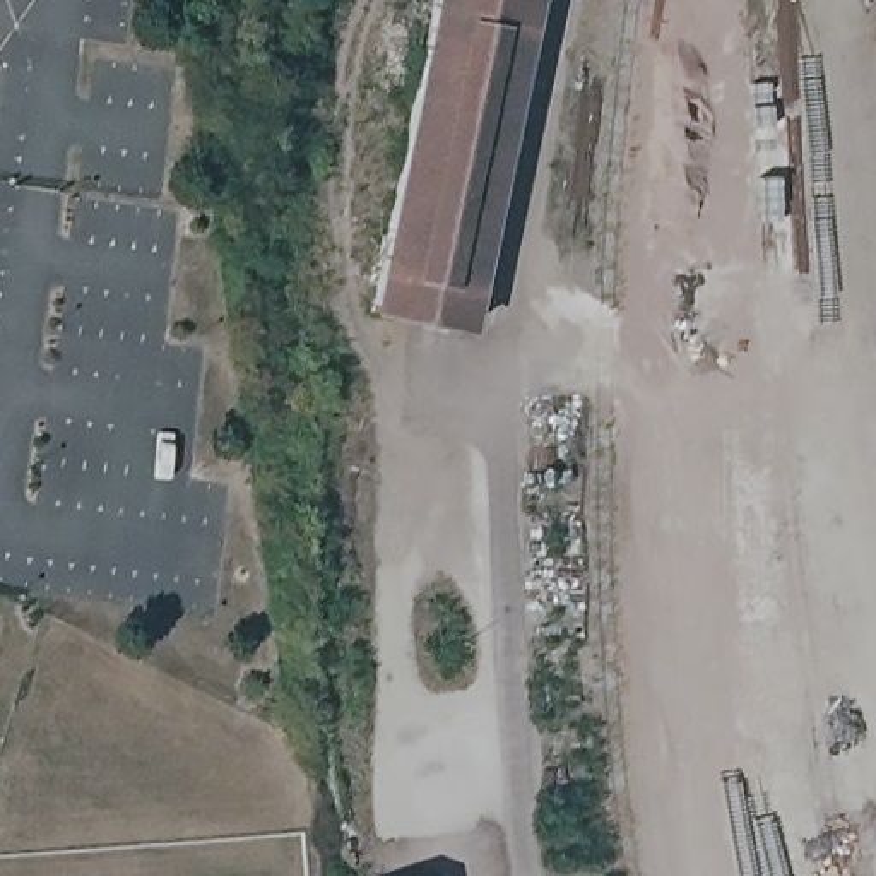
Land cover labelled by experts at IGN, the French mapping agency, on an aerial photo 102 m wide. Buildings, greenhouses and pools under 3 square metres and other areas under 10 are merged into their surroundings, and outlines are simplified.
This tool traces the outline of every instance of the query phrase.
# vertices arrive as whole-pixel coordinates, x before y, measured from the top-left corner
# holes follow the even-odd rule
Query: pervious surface
[[[541,732],[544,767],[561,763],[565,749],[578,749],[578,732]]]
[[[411,435],[397,414],[383,414],[376,421],[380,510],[373,530],[373,599],[376,708],[373,821],[380,835],[363,855],[383,876],[510,876],[506,832],[500,821],[493,821],[503,811],[503,756],[493,654],[500,654],[503,647],[503,626],[493,616],[489,599],[486,462],[479,448],[465,455],[459,445],[441,445],[438,438]],[[476,626],[476,660],[476,678],[469,688],[431,691],[424,688],[414,660],[414,595],[421,592],[421,585],[445,575],[455,582],[459,592]]]
[[[394,0],[356,0],[339,31],[335,96],[346,106],[359,99],[363,58],[376,58],[380,51],[383,27],[394,24]]]
[[[335,291],[332,298],[332,311],[346,329],[352,352],[370,380],[387,366],[390,346],[404,346],[407,359],[417,359],[421,339],[428,332],[441,335],[448,329],[421,318],[380,315],[380,308],[373,308],[370,274],[359,270],[359,263],[352,260],[356,185],[349,178],[349,164],[356,161],[356,127],[346,127],[342,137],[342,171],[339,178],[329,178],[318,188],[318,209],[329,219],[329,229],[318,236],[315,257],[325,270],[346,277],[342,291]]]
[[[876,876],[876,0],[571,0],[537,154],[537,168],[551,171],[544,226],[558,243],[565,284],[530,301],[534,315],[524,325],[517,352],[520,390],[513,417],[534,421],[534,435],[527,438],[527,472],[534,476],[534,482],[527,486],[524,513],[541,524],[530,530],[530,537],[548,537],[548,544],[534,561],[534,575],[524,578],[524,589],[530,599],[527,613],[544,616],[554,606],[565,606],[568,616],[582,616],[585,602],[602,602],[602,613],[592,613],[592,630],[578,654],[578,681],[589,691],[589,712],[606,719],[602,732],[609,743],[609,787],[602,808],[619,832],[616,862],[619,869],[626,869],[626,876]]]

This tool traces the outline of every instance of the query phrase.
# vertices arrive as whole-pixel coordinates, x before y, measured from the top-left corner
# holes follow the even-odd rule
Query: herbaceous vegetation
[[[356,814],[349,825],[342,825],[342,845],[352,852],[352,869],[359,876],[383,876],[363,855],[380,835],[373,821],[376,708],[363,719],[339,722],[339,736],[356,787]]]
[[[394,0],[394,24],[383,27],[380,51],[387,55],[390,72],[400,79],[407,31],[417,21],[428,24],[431,0]]]
[[[349,400],[349,417],[339,462],[339,493],[322,493],[318,517],[342,520],[346,513],[356,513],[356,527],[342,548],[342,585],[346,599],[373,599],[373,530],[380,510],[376,421],[370,380],[352,352],[332,359],[332,373],[339,376],[339,397]]]
[[[438,674],[431,654],[424,650],[428,636],[438,630],[431,616],[431,595],[459,592],[455,582],[445,575],[421,585],[421,592],[414,595],[414,660],[424,688],[431,691],[469,688],[476,678],[476,660],[465,667],[462,678],[448,684]]]
[[[209,260],[202,257],[195,240],[188,240],[195,229],[195,212],[181,205],[168,188],[171,171],[192,137],[185,65],[175,58],[175,51],[144,48],[127,31],[123,41],[79,41],[79,58],[147,58],[168,65],[175,75],[168,157],[161,181],[161,195],[178,216],[164,342],[202,352],[192,479],[226,486],[222,554],[212,592],[216,613],[188,616],[181,613],[181,599],[171,592],[147,599],[147,606],[133,609],[130,616],[113,602],[79,595],[68,595],[68,602],[48,599],[41,592],[0,595],[0,876],[322,876],[322,859],[308,842],[315,814],[315,784],[298,767],[284,729],[277,722],[260,719],[250,698],[236,701],[236,684],[246,681],[246,674],[257,678],[257,684],[270,684],[270,667],[277,667],[277,647],[267,640],[270,623],[263,609],[270,589],[263,571],[250,469],[240,459],[219,459],[212,452],[216,431],[226,428],[226,414],[236,407],[240,397],[240,373],[229,356],[229,315],[226,301],[216,294],[216,274]],[[151,640],[157,640],[147,650],[147,657],[137,660],[116,647],[123,619],[133,619]]]

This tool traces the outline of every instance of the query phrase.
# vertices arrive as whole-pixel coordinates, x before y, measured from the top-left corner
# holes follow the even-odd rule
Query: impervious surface
[[[503,647],[500,654],[493,654],[503,756],[503,811],[493,821],[500,821],[506,832],[510,876],[544,876],[548,869],[534,832],[534,811],[544,784],[544,767],[541,732],[530,719],[527,678],[534,667],[530,640],[541,636],[544,616],[527,613],[530,599],[524,589],[524,578],[534,575],[534,561],[548,544],[548,537],[530,537],[530,530],[541,524],[524,513],[527,486],[534,482],[534,476],[527,472],[527,438],[534,435],[534,421],[513,417],[520,390],[517,352],[524,325],[534,315],[530,301],[565,284],[558,243],[544,226],[551,171],[537,168],[537,154],[571,0],[551,0],[493,284],[496,311],[486,315],[482,332],[448,329],[441,335],[428,332],[421,339],[417,359],[407,359],[404,346],[390,346],[387,366],[370,380],[376,421],[383,414],[397,414],[411,435],[438,438],[441,445],[459,445],[465,455],[479,448],[486,462],[489,599],[493,616],[503,626]]]
[[[123,41],[127,31],[130,0],[0,0],[0,595],[41,592],[48,599],[68,602],[68,595],[79,595],[113,602],[130,616],[133,609],[147,606],[147,599],[171,592],[181,599],[181,613],[188,616],[216,613],[212,592],[222,554],[226,486],[192,479],[202,352],[164,342],[178,216],[161,195],[161,181],[168,157],[175,75],[168,65],[147,58],[79,58],[79,41]]]

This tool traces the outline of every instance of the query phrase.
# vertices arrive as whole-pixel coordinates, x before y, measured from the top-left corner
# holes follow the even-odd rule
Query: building
[[[486,315],[496,311],[493,284],[551,0],[431,0],[428,24],[428,55],[411,103],[407,154],[397,178],[390,226],[380,240],[380,257],[370,274],[373,308],[380,308],[380,315],[421,318],[448,329],[482,332]]]

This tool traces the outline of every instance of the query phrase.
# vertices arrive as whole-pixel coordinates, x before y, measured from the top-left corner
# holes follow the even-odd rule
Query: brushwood
[[[578,732],[578,749],[565,749],[561,763],[544,767],[544,784],[599,780],[602,787],[609,787],[609,743],[602,732],[606,719],[589,712],[589,691],[578,681],[578,654],[592,630],[592,613],[602,613],[602,602],[585,602],[582,616],[568,616],[565,606],[554,606],[544,616],[541,636],[530,640],[534,667],[527,678],[530,719],[541,732]]]
[[[476,660],[476,626],[459,592],[431,595],[431,616],[438,630],[428,636],[424,650],[431,654],[438,674],[448,684],[462,678],[465,667]]]
[[[380,240],[390,226],[397,178],[407,154],[411,103],[428,55],[428,24],[417,21],[407,31],[400,79],[390,72],[387,55],[380,51],[376,58],[363,58],[359,99],[346,106],[335,96],[332,130],[342,137],[346,127],[356,127],[356,161],[349,164],[349,178],[356,185],[352,260],[359,263],[359,270],[370,274],[380,257]]]

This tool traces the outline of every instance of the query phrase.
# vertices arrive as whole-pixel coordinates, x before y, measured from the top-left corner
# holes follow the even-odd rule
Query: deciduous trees
[[[147,657],[147,650],[157,640],[151,640],[133,619],[123,619],[116,647],[137,660]]]
[[[616,862],[619,832],[602,808],[609,787],[602,787],[599,780],[544,784],[534,811],[534,832],[548,869],[544,876],[626,876],[626,869],[619,869]]]
[[[339,736],[339,722],[363,719],[376,708],[373,599],[346,599],[342,585],[342,548],[356,527],[356,513],[346,513],[342,520],[318,517],[322,493],[339,493],[339,462],[349,417],[349,400],[339,397],[339,376],[332,373],[332,359],[352,352],[346,329],[332,311],[332,298],[335,291],[342,291],[346,277],[325,270],[315,257],[318,236],[329,229],[329,219],[318,209],[318,188],[329,178],[339,178],[342,171],[342,137],[332,130],[335,96],[339,31],[356,0],[130,0],[127,31],[144,48],[175,51],[175,58],[185,65],[192,137],[171,171],[168,188],[181,205],[195,212],[195,229],[188,240],[195,240],[202,257],[209,260],[216,274],[216,294],[226,301],[229,315],[229,356],[240,373],[240,397],[236,407],[226,414],[226,428],[216,431],[212,452],[219,459],[240,459],[250,469],[263,571],[270,589],[263,609],[270,623],[267,640],[277,647],[277,667],[270,667],[270,684],[257,684],[257,678],[246,674],[246,681],[236,684],[236,701],[250,698],[260,719],[277,722],[284,729],[298,767],[315,784],[315,814],[308,842],[322,859],[322,876],[359,876],[352,869],[352,852],[342,845],[342,825],[349,825],[356,814],[356,787]]]

